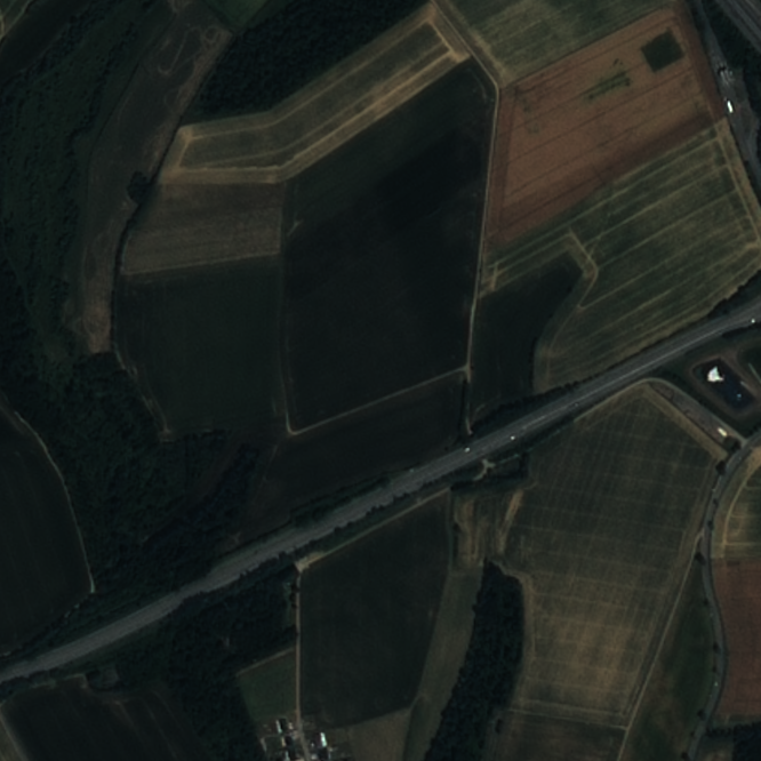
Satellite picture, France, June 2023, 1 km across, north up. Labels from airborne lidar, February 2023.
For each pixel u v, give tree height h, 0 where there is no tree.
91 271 0
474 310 0
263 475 0
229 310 0
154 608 0
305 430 0
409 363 0
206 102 8
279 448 0
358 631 0
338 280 0
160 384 0
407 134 0
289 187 0
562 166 0
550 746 0
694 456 0
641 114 0
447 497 0
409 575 0
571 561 0
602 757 0
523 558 0
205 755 0
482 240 0
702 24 12
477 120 0
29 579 0
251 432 0
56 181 0
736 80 0
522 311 0
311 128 0
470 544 0
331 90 0
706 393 0
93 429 9
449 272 0
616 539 0
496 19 0
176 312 0
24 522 0
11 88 9
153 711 0
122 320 0
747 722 0
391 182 0
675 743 0
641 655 0
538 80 0
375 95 0
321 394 0
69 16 0
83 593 0
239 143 0
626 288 0
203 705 15
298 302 0
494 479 11
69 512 0
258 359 0
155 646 7
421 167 0
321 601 0
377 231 0
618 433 0
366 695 0
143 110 0
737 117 0
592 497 0
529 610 0
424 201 0
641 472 0
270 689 0
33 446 0
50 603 0
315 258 0
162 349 0
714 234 0
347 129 0
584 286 0
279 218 0
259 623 15
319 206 0
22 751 0
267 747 0
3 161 6
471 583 0
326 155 0
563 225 0
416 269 0
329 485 0
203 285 0
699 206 0
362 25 11
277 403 0
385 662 0
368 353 0
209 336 0
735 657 0
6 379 15
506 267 0
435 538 0
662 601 0
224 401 0
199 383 0
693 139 0
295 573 16
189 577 11
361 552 0
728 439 0
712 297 0
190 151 0
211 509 16
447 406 0
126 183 0
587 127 0
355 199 0
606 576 0
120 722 0
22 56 0
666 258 0
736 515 0
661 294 0
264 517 0
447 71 0
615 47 0
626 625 0
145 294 0
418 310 0
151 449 7
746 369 0
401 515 0
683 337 0
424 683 0
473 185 0
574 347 0
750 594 0
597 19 0
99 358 7
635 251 0
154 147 0
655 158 0
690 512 0
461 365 0
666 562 0
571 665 0
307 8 7
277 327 0
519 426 0
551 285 0
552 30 0
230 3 0
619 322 0
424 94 0
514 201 0
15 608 0
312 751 0
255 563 0
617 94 0
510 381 0
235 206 0
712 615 0
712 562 0
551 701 0
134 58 0
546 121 0
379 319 0
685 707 0
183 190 0
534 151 0
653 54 0
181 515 0
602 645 0
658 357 0
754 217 0
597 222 0
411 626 0
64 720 0
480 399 0
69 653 0
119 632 0
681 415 0
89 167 0
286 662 0
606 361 0
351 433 0
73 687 0
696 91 0
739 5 0
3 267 12
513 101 0
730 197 0
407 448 0
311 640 0
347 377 0
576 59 0
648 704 0
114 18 0
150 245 0
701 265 0
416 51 0
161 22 0
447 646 0
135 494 7
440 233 0
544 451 0
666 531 0
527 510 0
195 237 0
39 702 0
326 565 0
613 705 0
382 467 0
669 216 0
